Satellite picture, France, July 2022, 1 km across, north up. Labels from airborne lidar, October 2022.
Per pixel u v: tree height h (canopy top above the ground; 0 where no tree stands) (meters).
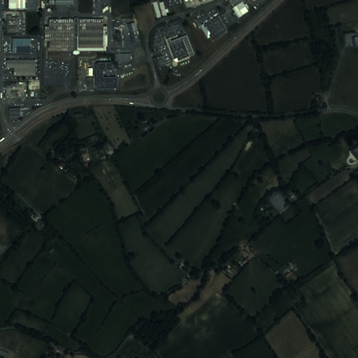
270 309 0
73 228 0
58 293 0
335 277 0
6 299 0
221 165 0
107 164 0
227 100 0
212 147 0
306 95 0
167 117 11
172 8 0
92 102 0
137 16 0
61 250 0
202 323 0
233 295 0
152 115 0
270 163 14
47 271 0
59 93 0
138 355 0
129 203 0
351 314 0
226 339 0
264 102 0
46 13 0
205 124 0
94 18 0
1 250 0
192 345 0
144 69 0
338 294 0
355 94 0
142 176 0
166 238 0
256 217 14
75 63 0
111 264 0
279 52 0
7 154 0
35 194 0
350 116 0
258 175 14
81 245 0
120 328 0
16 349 0
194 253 0
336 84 0
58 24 0
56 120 0
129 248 0
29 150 0
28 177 0
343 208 0
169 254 0
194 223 0
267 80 22
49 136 8
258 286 0
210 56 0
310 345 0
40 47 0
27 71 0
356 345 0
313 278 0
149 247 0
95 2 0
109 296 0
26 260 0
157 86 0
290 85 0
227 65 0
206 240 0
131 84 0
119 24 0
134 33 0
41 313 0
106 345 0
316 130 0
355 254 0
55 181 0
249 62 0
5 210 7
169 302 6
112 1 0
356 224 0
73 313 0
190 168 0
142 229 13
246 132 0
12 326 9
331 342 0
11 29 0
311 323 0
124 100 0
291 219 6
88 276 0
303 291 0
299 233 0
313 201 0
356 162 0
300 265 0
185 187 7
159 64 0
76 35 0
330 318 0
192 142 8
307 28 0
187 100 0
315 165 0
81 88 0
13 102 0
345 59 0
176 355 0
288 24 0
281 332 0
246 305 0
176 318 6
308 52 0
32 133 0
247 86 0
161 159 0
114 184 0
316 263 0
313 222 0
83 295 0
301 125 0
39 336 17
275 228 0
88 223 0
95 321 0
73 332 9
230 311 0
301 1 13
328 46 11
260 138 16
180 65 0
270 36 0
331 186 0
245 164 0
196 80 0
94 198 0
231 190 0
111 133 0
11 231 0
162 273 0
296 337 0
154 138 0
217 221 0
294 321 0
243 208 0
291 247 0
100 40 0
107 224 0
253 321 17
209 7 0
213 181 0
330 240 0
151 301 0
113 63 10
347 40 0
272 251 0
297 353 0
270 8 0
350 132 14
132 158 0
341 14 0
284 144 0
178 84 0
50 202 0
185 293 0
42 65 0
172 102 0
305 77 0
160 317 7
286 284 16
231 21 0
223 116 12
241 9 0
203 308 0
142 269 0
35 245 0
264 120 15
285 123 0
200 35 0
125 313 0
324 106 10
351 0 7
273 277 0
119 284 0
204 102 9
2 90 0
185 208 0
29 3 0
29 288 0
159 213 16
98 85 0
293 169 0
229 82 0
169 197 0
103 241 0
